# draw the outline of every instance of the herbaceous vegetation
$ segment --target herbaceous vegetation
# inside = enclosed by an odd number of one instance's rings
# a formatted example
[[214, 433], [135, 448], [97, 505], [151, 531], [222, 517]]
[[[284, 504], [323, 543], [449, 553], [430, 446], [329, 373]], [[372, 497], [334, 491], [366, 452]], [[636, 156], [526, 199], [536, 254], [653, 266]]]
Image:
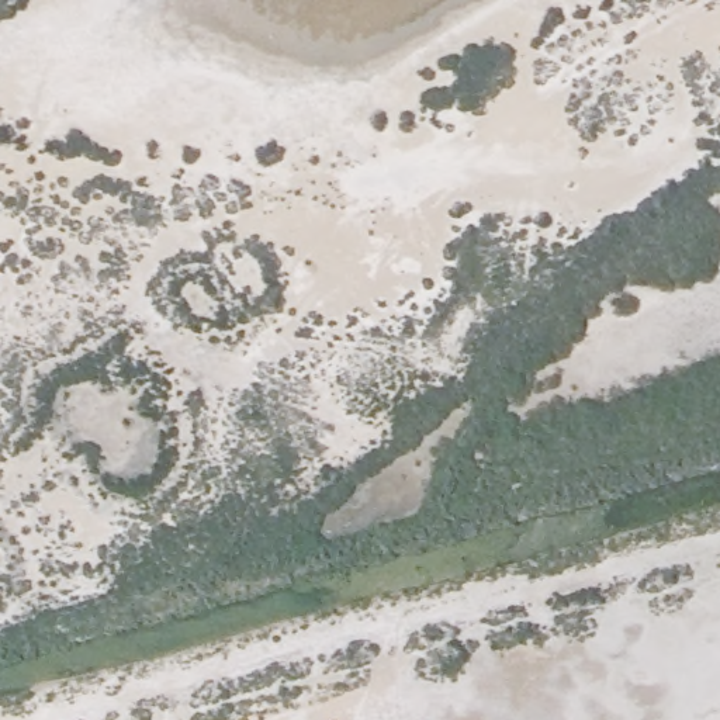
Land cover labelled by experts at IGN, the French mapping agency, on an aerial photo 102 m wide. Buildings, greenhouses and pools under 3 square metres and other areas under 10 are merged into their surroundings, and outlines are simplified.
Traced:
[[76, 205], [68, 205], [68, 200], [53, 197], [48, 208], [42, 208], [39, 200], [28, 200], [25, 191], [6, 197], [0, 191], [0, 273], [11, 270], [17, 284], [31, 281], [31, 262], [8, 248], [23, 236], [37, 256], [51, 259], [53, 253], [65, 250], [65, 245], [56, 239], [39, 242], [37, 233], [42, 228], [53, 225], [70, 231], [79, 242], [90, 245], [104, 231], [101, 222], [113, 217], [110, 211], [104, 211], [96, 219], [79, 222], [87, 203], [79, 200]]
[[318, 326], [335, 326], [335, 318], [309, 312], [304, 315], [295, 338], [312, 338]]
[[262, 332], [262, 326], [273, 329], [276, 335], [284, 335], [278, 312], [250, 318], [248, 323], [233, 323], [231, 329], [194, 332], [200, 343], [239, 346], [250, 343]]
[[127, 388], [135, 399], [135, 405], [124, 416], [124, 428], [141, 425], [143, 419], [138, 413], [138, 399], [152, 388], [152, 383], [124, 383], [121, 366], [132, 360], [127, 349], [107, 363], [113, 391]]
[[174, 219], [188, 222], [211, 217], [217, 203], [225, 205], [228, 214], [248, 211], [253, 208], [250, 186], [245, 180], [231, 180], [225, 191], [219, 191], [219, 177], [205, 174], [197, 186], [172, 186], [169, 194], [155, 197], [163, 222], [169, 225]]
[[37, 383], [42, 383], [45, 374], [39, 371], [39, 363], [53, 357], [53, 349], [23, 349], [8, 360], [0, 354], [0, 464], [20, 453], [17, 442], [34, 425], [34, 388]]
[[6, 579], [0, 574], [0, 605], [8, 596], [14, 599], [28, 593], [31, 579]]
[[239, 290], [231, 281], [236, 273], [233, 264], [225, 264], [222, 270], [214, 267], [217, 245], [225, 245], [236, 236], [233, 222], [222, 222], [217, 231], [205, 231], [205, 250], [180, 250], [163, 259], [158, 273], [146, 284], [146, 295], [152, 298], [152, 307], [172, 321], [172, 329], [186, 329], [186, 323], [197, 315], [183, 293], [169, 295], [169, 284], [183, 273], [203, 270], [211, 273], [211, 295], [217, 309], [239, 309], [242, 304], [233, 295]]
[[160, 349], [146, 349], [138, 360], [169, 380], [172, 366], [163, 363]]
[[127, 332], [129, 340], [143, 335], [143, 323], [127, 321], [124, 307], [107, 309], [98, 318], [82, 309], [82, 335], [76, 335], [62, 349], [62, 354], [73, 354], [79, 343], [101, 338], [104, 326], [113, 326], [115, 335]]
[[191, 413], [188, 464], [180, 481], [163, 498], [155, 498], [152, 492], [135, 501], [141, 512], [118, 515], [124, 534], [115, 534], [110, 543], [98, 546], [98, 563], [39, 565], [42, 574], [96, 577], [98, 585], [107, 591], [121, 574], [121, 546], [146, 546], [152, 529], [197, 520], [200, 515], [205, 518], [219, 498], [245, 495], [245, 481], [236, 475], [236, 470], [248, 461], [250, 453], [267, 456], [276, 439], [284, 439], [290, 433], [290, 447], [298, 456], [298, 475], [293, 481], [276, 478], [273, 487], [278, 492], [278, 503], [270, 509], [273, 518], [298, 509], [301, 501], [309, 501], [318, 489], [335, 484], [335, 475], [343, 467], [332, 467], [321, 444], [326, 433], [335, 433], [335, 425], [301, 411], [312, 391], [312, 380], [293, 380], [290, 360], [284, 357], [276, 363], [259, 360], [253, 385], [242, 391], [242, 408], [236, 413], [239, 439], [228, 458], [217, 467], [205, 458], [205, 397], [203, 391], [191, 391], [186, 399]]
[[62, 456], [82, 442], [70, 425], [70, 385], [56, 391], [53, 419], [48, 422], [45, 433], [56, 439]]
[[107, 295], [118, 295], [121, 281], [129, 278], [129, 270], [124, 250], [110, 250], [101, 253], [98, 287]]
[[8, 127], [0, 124], [0, 146], [28, 146], [28, 118], [11, 121]]
[[388, 346], [388, 357], [371, 360], [371, 368], [360, 374], [360, 380], [346, 374], [338, 374], [335, 380], [346, 394], [346, 413], [363, 416], [383, 433], [383, 439], [391, 439], [394, 399], [405, 402], [416, 399], [430, 388], [442, 388], [444, 377], [461, 380], [470, 366], [470, 357], [464, 354], [458, 363], [453, 363], [450, 374], [416, 371], [411, 360], [397, 357], [397, 343], [413, 338], [413, 318], [405, 318], [399, 335], [377, 326], [366, 329], [366, 335]]
[[28, 503], [37, 503], [45, 492], [56, 489], [53, 481], [42, 481], [31, 484], [25, 495], [11, 501], [14, 518], [25, 518]]

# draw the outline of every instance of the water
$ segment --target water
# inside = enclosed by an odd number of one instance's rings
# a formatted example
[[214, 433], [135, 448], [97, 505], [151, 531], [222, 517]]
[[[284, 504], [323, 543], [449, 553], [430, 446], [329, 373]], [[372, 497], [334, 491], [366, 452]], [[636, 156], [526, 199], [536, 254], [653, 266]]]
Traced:
[[447, 0], [248, 0], [253, 3], [256, 14], [270, 14], [281, 25], [309, 28], [315, 39], [332, 34], [343, 42], [352, 42], [357, 37], [391, 34], [399, 25], [411, 25], [428, 17]]
[[450, 416], [436, 430], [430, 430], [422, 439], [416, 450], [399, 456], [394, 464], [363, 481], [340, 509], [326, 515], [323, 534], [335, 537], [366, 529], [374, 520], [399, 520], [416, 515], [433, 470], [433, 447], [442, 439], [456, 436], [458, 425], [473, 413], [470, 402], [464, 402], [456, 411], [450, 411]]
[[442, 596], [450, 591], [461, 591], [467, 582], [498, 579], [503, 574], [540, 579], [563, 574], [568, 568], [596, 565], [602, 560], [602, 540], [608, 534], [658, 520], [678, 523], [686, 512], [720, 506], [720, 473], [706, 473], [672, 481], [669, 487], [627, 495], [622, 501], [613, 501], [605, 518], [599, 518], [596, 512], [585, 512], [571, 520], [557, 520], [557, 512], [568, 512], [571, 506], [571, 489], [563, 487], [563, 498], [518, 509], [520, 529], [512, 529], [506, 520], [495, 520], [487, 523], [481, 534], [464, 534], [464, 543], [439, 546], [430, 554], [399, 557], [394, 563], [374, 565], [371, 571], [360, 571], [352, 577], [323, 577], [315, 582], [318, 588], [312, 591], [270, 588], [267, 593], [253, 599], [236, 599], [228, 605], [197, 610], [191, 616], [172, 616], [158, 624], [118, 630], [113, 636], [79, 641], [56, 653], [25, 655], [25, 664], [8, 667], [0, 675], [0, 703], [11, 695], [23, 703], [31, 700], [34, 686], [45, 681], [93, 681], [96, 672], [104, 669], [132, 672], [132, 664], [138, 661], [160, 658], [172, 655], [197, 644], [228, 641], [231, 641], [231, 636], [262, 624], [276, 624], [298, 616], [315, 619], [346, 616], [352, 610], [371, 608], [374, 599], [385, 599], [394, 605], [402, 599]]

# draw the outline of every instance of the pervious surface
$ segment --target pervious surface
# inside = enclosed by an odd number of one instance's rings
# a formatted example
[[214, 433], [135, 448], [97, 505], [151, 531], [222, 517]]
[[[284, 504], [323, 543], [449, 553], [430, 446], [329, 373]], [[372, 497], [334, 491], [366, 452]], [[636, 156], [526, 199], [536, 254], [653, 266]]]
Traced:
[[217, 309], [211, 295], [200, 284], [186, 284], [183, 293], [197, 315], [214, 318]]
[[[6, 624], [14, 624], [31, 610], [76, 605], [87, 596], [98, 596], [107, 591], [98, 585], [96, 577], [42, 574], [39, 565], [98, 563], [98, 546], [110, 543], [115, 534], [124, 534], [118, 515], [141, 512], [135, 501], [121, 495], [104, 498], [101, 481], [107, 473], [132, 478], [152, 470], [158, 458], [158, 433], [166, 430], [166, 422], [143, 419], [141, 425], [124, 428], [124, 416], [135, 405], [135, 399], [127, 388], [113, 391], [104, 394], [96, 383], [70, 385], [70, 425], [82, 442], [96, 442], [101, 447], [101, 467], [93, 475], [84, 458], [65, 461], [62, 456], [56, 439], [45, 433], [39, 442], [34, 442], [31, 450], [20, 453], [0, 464], [0, 574], [6, 579], [31, 579], [28, 593], [14, 599], [8, 596], [0, 605], [0, 619]], [[42, 481], [53, 481], [56, 489], [45, 492], [37, 503], [28, 503], [25, 518], [14, 518], [11, 501], [25, 495], [31, 484]]]
[[132, 208], [129, 203], [113, 194], [87, 203], [79, 222], [96, 219], [104, 211], [110, 211]]
[[692, 366], [720, 352], [720, 270], [712, 281], [700, 281], [689, 290], [664, 293], [655, 287], [627, 284], [622, 290], [608, 293], [602, 298], [602, 312], [588, 323], [585, 338], [571, 349], [571, 354], [565, 360], [543, 366], [532, 380], [532, 394], [523, 402], [509, 405], [512, 413], [526, 419], [532, 411], [560, 397], [608, 399], [610, 388], [627, 391], [638, 385], [638, 377]]
[[[647, 571], [672, 565], [692, 565], [689, 579], [678, 579], [672, 585], [661, 579], [655, 593], [638, 591], [638, 579]], [[489, 647], [489, 633], [481, 622], [489, 610], [523, 605], [529, 610], [532, 624], [543, 627], [554, 622], [548, 596], [574, 593], [582, 588], [602, 588], [613, 579], [624, 582], [624, 593], [619, 593], [613, 602], [605, 602], [593, 613], [593, 638], [579, 641], [577, 636], [557, 636], [546, 644], [526, 641], [509, 650]], [[461, 641], [473, 638], [478, 641], [478, 650], [470, 655], [458, 678], [442, 678], [439, 683], [419, 681], [416, 661], [428, 658], [428, 653], [408, 650], [405, 641], [413, 630], [439, 622], [458, 624]], [[380, 655], [371, 661], [371, 681], [363, 689], [338, 695], [335, 683], [346, 681], [349, 669], [335, 669], [332, 653], [346, 650], [357, 638], [380, 644]], [[37, 712], [20, 717], [6, 714], [3, 720], [132, 720], [135, 703], [141, 698], [155, 695], [174, 698], [174, 709], [155, 709], [152, 720], [191, 720], [191, 714], [219, 712], [214, 703], [194, 700], [194, 686], [200, 686], [203, 681], [245, 678], [270, 664], [295, 664], [307, 678], [276, 678], [270, 686], [231, 695], [231, 703], [278, 695], [281, 689], [295, 686], [301, 686], [304, 695], [295, 698], [290, 709], [284, 709], [284, 703], [256, 703], [250, 706], [250, 720], [720, 720], [720, 532], [675, 543], [644, 540], [636, 548], [616, 551], [602, 560], [596, 565], [568, 568], [563, 574], [540, 579], [503, 574], [498, 579], [467, 582], [461, 591], [450, 591], [442, 596], [402, 599], [394, 605], [385, 599], [374, 599], [371, 608], [352, 610], [346, 616], [315, 619], [309, 622], [309, 630], [287, 636], [281, 641], [250, 641], [248, 647], [233, 647], [231, 641], [228, 641], [228, 655], [214, 655], [191, 667], [180, 667], [172, 655], [160, 658], [160, 664], [149, 669], [146, 678], [129, 675], [124, 692], [115, 698], [98, 695], [87, 683], [84, 695], [76, 695], [76, 703], [62, 703], [53, 695], [48, 695], [45, 706], [37, 706]]]
[[[563, 23], [546, 37], [543, 48], [532, 48], [532, 39], [548, 8], [563, 8]], [[447, 87], [456, 82], [453, 70], [444, 70], [439, 59], [461, 53], [467, 45], [484, 42], [515, 48], [515, 84], [489, 98], [481, 115], [422, 107], [425, 90]], [[703, 53], [706, 59], [706, 68], [700, 73], [700, 90], [706, 104], [698, 107], [692, 107], [692, 93], [683, 79], [683, 59], [692, 53]], [[582, 141], [579, 132], [574, 132], [574, 127], [568, 124], [568, 96], [577, 96], [582, 107], [591, 110], [602, 93], [610, 93], [616, 121], [605, 124], [596, 141]], [[411, 360], [416, 371], [450, 374], [453, 363], [458, 363], [464, 354], [461, 343], [467, 329], [473, 326], [473, 315], [467, 307], [461, 307], [453, 315], [453, 323], [444, 326], [439, 338], [425, 340], [425, 329], [436, 312], [436, 301], [450, 298], [453, 284], [444, 273], [450, 267], [458, 267], [456, 259], [444, 256], [444, 248], [453, 239], [464, 236], [470, 225], [478, 225], [487, 214], [503, 214], [492, 236], [526, 231], [526, 239], [515, 242], [515, 253], [523, 253], [523, 264], [532, 267], [537, 242], [554, 242], [568, 248], [579, 245], [593, 233], [593, 228], [605, 217], [636, 211], [638, 203], [644, 203], [653, 191], [664, 188], [669, 180], [683, 180], [689, 169], [700, 166], [703, 152], [720, 158], [720, 0], [447, 0], [428, 17], [411, 25], [399, 25], [391, 34], [357, 37], [352, 42], [343, 42], [332, 34], [315, 39], [309, 28], [281, 25], [270, 14], [256, 14], [253, 3], [248, 0], [0, 0], [0, 124], [8, 127], [11, 121], [28, 118], [28, 146], [0, 146], [0, 191], [6, 197], [25, 191], [28, 200], [39, 200], [42, 208], [48, 208], [53, 197], [68, 200], [68, 205], [76, 205], [79, 200], [76, 188], [90, 177], [127, 180], [132, 191], [155, 197], [169, 194], [172, 186], [197, 186], [205, 174], [219, 177], [219, 191], [225, 191], [231, 180], [245, 180], [250, 186], [253, 208], [248, 211], [228, 214], [225, 205], [217, 203], [211, 217], [188, 222], [174, 219], [169, 225], [163, 222], [155, 228], [143, 228], [135, 222], [113, 222], [113, 217], [101, 222], [104, 231], [90, 245], [79, 242], [70, 231], [53, 225], [42, 228], [37, 233], [39, 242], [56, 239], [65, 245], [65, 250], [53, 253], [51, 259], [37, 256], [23, 236], [8, 248], [31, 262], [31, 281], [17, 284], [11, 270], [0, 273], [0, 354], [8, 360], [23, 349], [53, 349], [53, 357], [39, 363], [39, 371], [45, 374], [51, 374], [56, 366], [82, 360], [84, 354], [110, 343], [115, 335], [113, 326], [104, 326], [101, 338], [79, 343], [73, 354], [62, 354], [62, 349], [76, 335], [82, 335], [82, 309], [98, 318], [107, 309], [124, 307], [127, 321], [143, 323], [143, 335], [129, 340], [127, 349], [132, 360], [138, 360], [146, 349], [160, 349], [163, 363], [172, 366], [169, 380], [169, 411], [177, 411], [177, 461], [152, 492], [155, 498], [163, 498], [180, 481], [188, 464], [191, 413], [186, 399], [191, 391], [203, 391], [205, 397], [205, 458], [217, 467], [228, 458], [239, 439], [236, 413], [242, 408], [242, 391], [253, 385], [259, 360], [276, 363], [284, 357], [290, 360], [293, 380], [312, 380], [312, 391], [301, 411], [335, 425], [335, 433], [326, 433], [321, 444], [332, 467], [343, 467], [366, 456], [371, 450], [371, 442], [383, 439], [383, 433], [363, 416], [346, 413], [346, 394], [335, 380], [338, 374], [346, 374], [360, 380], [360, 374], [371, 368], [371, 360], [388, 357], [388, 346], [366, 335], [366, 329], [377, 326], [399, 335], [405, 318], [413, 318], [413, 338], [397, 343], [397, 357]], [[90, 158], [48, 155], [45, 143], [62, 141], [73, 129], [84, 132], [90, 141], [107, 149], [118, 149], [121, 163], [110, 166]], [[231, 281], [239, 290], [248, 287], [256, 295], [264, 293], [262, 267], [248, 253], [245, 239], [259, 236], [262, 242], [270, 242], [278, 259], [278, 278], [287, 287], [278, 312], [284, 335], [276, 335], [273, 329], [262, 326], [262, 332], [250, 343], [239, 346], [200, 343], [194, 332], [186, 329], [172, 329], [172, 321], [152, 307], [152, 298], [146, 295], [146, 284], [158, 273], [163, 259], [180, 250], [205, 250], [205, 231], [217, 231], [222, 222], [233, 222], [236, 236], [225, 245], [217, 245], [214, 267], [222, 270], [225, 264], [233, 264], [236, 273]], [[118, 295], [107, 295], [98, 287], [101, 253], [110, 250], [124, 250], [129, 270], [129, 278], [121, 281]], [[295, 338], [304, 315], [309, 312], [335, 318], [335, 326], [318, 326], [312, 338]]]

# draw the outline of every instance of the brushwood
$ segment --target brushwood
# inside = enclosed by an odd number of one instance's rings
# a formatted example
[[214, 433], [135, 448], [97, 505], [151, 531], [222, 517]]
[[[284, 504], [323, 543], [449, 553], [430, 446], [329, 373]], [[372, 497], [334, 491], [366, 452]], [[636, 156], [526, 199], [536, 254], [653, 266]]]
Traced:
[[239, 309], [217, 309], [214, 318], [197, 315], [186, 323], [186, 329], [194, 332], [231, 329], [233, 323], [248, 323], [250, 318], [278, 312], [287, 287], [278, 278], [278, 259], [270, 242], [262, 242], [259, 236], [245, 239], [248, 253], [262, 267], [264, 293], [256, 295], [248, 287], [239, 290], [233, 295], [242, 304]]
[[458, 678], [470, 655], [478, 650], [478, 641], [473, 638], [461, 641], [458, 624], [439, 622], [413, 630], [405, 641], [408, 650], [428, 653], [428, 658], [416, 661], [419, 681], [439, 683], [442, 678]]
[[602, 560], [616, 551], [636, 548], [644, 540], [675, 543], [720, 532], [720, 506], [686, 512], [678, 523], [658, 520], [608, 534], [602, 540]]
[[655, 593], [661, 579], [672, 585], [678, 579], [689, 579], [692, 565], [672, 565], [647, 571], [638, 579], [638, 591]]
[[118, 149], [107, 149], [90, 141], [84, 132], [73, 129], [62, 141], [45, 143], [48, 155], [90, 158], [110, 166], [121, 163]]
[[602, 93], [591, 110], [582, 107], [577, 96], [568, 96], [568, 124], [574, 127], [574, 132], [579, 132], [582, 141], [596, 141], [605, 124], [616, 121], [610, 93]]
[[149, 669], [160, 664], [160, 658], [138, 661], [132, 664], [132, 672], [104, 669], [96, 672], [93, 681], [45, 681], [34, 686], [31, 700], [23, 703], [11, 695], [0, 703], [0, 720], [3, 720], [6, 714], [20, 717], [37, 712], [37, 706], [45, 706], [48, 695], [53, 695], [62, 703], [76, 703], [76, 695], [84, 695], [87, 683], [98, 695], [115, 698], [124, 692], [129, 675], [146, 678]]
[[563, 8], [548, 8], [532, 39], [532, 48], [543, 48], [546, 37], [563, 23]]
[[[87, 596], [76, 605], [31, 610], [14, 624], [6, 624], [0, 619], [0, 675], [8, 667], [25, 664], [25, 655], [56, 653], [79, 641], [113, 636], [118, 630], [158, 624], [172, 616], [191, 616], [197, 610], [228, 605], [236, 599], [253, 599], [267, 593], [270, 588], [312, 591], [318, 588], [315, 582], [323, 577], [352, 577], [360, 571], [371, 571], [374, 565], [394, 563], [399, 557], [430, 554], [439, 546], [464, 543], [464, 534], [481, 534], [487, 523], [495, 520], [506, 520], [512, 529], [520, 529], [518, 509], [563, 498], [563, 487], [571, 489], [571, 506], [568, 512], [557, 512], [557, 520], [571, 520], [585, 512], [596, 512], [599, 518], [605, 518], [613, 501], [622, 501], [627, 495], [669, 487], [672, 481], [706, 473], [720, 473], [720, 352], [692, 366], [638, 377], [638, 385], [627, 391], [610, 388], [608, 399], [560, 397], [532, 411], [526, 419], [512, 413], [509, 405], [523, 402], [532, 394], [532, 380], [543, 366], [565, 360], [571, 354], [571, 349], [585, 338], [588, 323], [602, 312], [602, 298], [608, 293], [622, 290], [627, 284], [655, 287], [664, 293], [689, 290], [700, 281], [712, 281], [720, 270], [720, 158], [703, 152], [700, 166], [689, 169], [683, 180], [669, 180], [664, 188], [653, 191], [644, 203], [638, 203], [636, 211], [605, 217], [593, 228], [593, 233], [579, 245], [568, 248], [554, 242], [537, 242], [532, 267], [523, 264], [523, 253], [515, 253], [515, 242], [526, 239], [526, 231], [492, 236], [503, 214], [487, 214], [478, 225], [470, 225], [464, 236], [453, 239], [444, 248], [444, 256], [456, 259], [458, 267], [450, 267], [444, 273], [453, 284], [450, 298], [436, 301], [436, 312], [425, 329], [425, 340], [439, 338], [444, 326], [453, 323], [453, 315], [461, 307], [467, 307], [473, 315], [473, 326], [467, 329], [461, 343], [464, 354], [470, 357], [470, 366], [461, 380], [444, 377], [442, 388], [430, 388], [416, 399], [405, 402], [394, 399], [391, 439], [383, 439], [371, 442], [371, 450], [366, 456], [343, 467], [335, 475], [335, 484], [318, 489], [309, 501], [301, 501], [298, 509], [273, 518], [270, 509], [278, 503], [278, 492], [273, 487], [276, 478], [293, 481], [298, 475], [298, 456], [290, 447], [290, 433], [284, 439], [276, 439], [267, 456], [250, 453], [248, 461], [236, 470], [236, 475], [245, 481], [245, 495], [219, 498], [205, 518], [200, 515], [197, 520], [152, 529], [146, 546], [121, 546], [121, 574], [107, 591], [98, 596]], [[436, 430], [450, 416], [450, 411], [456, 411], [464, 402], [470, 402], [473, 413], [458, 425], [456, 436], [442, 439], [433, 447], [433, 470], [416, 515], [399, 520], [374, 520], [366, 529], [335, 537], [323, 534], [326, 515], [340, 509], [363, 481], [394, 464], [399, 456], [416, 450], [422, 439], [430, 430]]]
[[447, 87], [425, 90], [422, 107], [481, 115], [489, 98], [515, 84], [515, 48], [484, 42], [467, 45], [461, 53], [439, 59], [444, 70], [453, 70], [456, 82]]
[[278, 695], [231, 703], [231, 695], [270, 686], [276, 678], [307, 678], [295, 664], [270, 664], [245, 678], [203, 681], [200, 686], [194, 686], [194, 700], [214, 703], [219, 712], [191, 714], [191, 720], [250, 720], [250, 706], [256, 703], [284, 703], [284, 709], [290, 709], [295, 698], [304, 695], [301, 686], [295, 686], [281, 689]]
[[107, 363], [127, 349], [129, 340], [127, 332], [115, 335], [110, 343], [84, 354], [82, 360], [56, 366], [51, 374], [45, 374], [42, 383], [37, 383], [34, 388], [34, 425], [17, 442], [20, 453], [31, 450], [34, 442], [39, 442], [45, 433], [48, 422], [53, 419], [56, 391], [70, 385], [96, 383], [104, 394], [113, 391]]
[[113, 194], [129, 203], [132, 208], [110, 211], [113, 217], [113, 222], [135, 222], [143, 228], [155, 228], [163, 222], [155, 197], [132, 191], [127, 180], [90, 177], [76, 188], [79, 200], [87, 203]]
[[135, 703], [132, 720], [152, 720], [155, 709], [174, 709], [174, 698], [155, 695], [141, 698]]
[[104, 498], [121, 495], [135, 501], [152, 492], [177, 461], [177, 411], [169, 411], [169, 380], [138, 360], [132, 360], [121, 366], [124, 383], [152, 383], [152, 388], [138, 399], [138, 413], [143, 419], [166, 422], [166, 430], [158, 433], [158, 458], [152, 470], [132, 478], [107, 473], [101, 481]]
[[200, 284], [211, 295], [211, 273], [203, 270], [183, 273], [169, 284], [169, 295], [183, 293], [186, 284]]
[[523, 605], [489, 610], [481, 622], [489, 633], [489, 647], [509, 650], [526, 641], [546, 644], [557, 636], [577, 636], [579, 641], [593, 638], [593, 613], [605, 602], [613, 602], [619, 593], [624, 593], [624, 582], [613, 579], [602, 588], [582, 588], [574, 593], [548, 596], [554, 622], [543, 627], [532, 624], [529, 610]]
[[335, 683], [338, 695], [363, 689], [371, 681], [371, 661], [380, 655], [380, 644], [357, 638], [346, 650], [332, 653], [335, 669], [349, 669], [346, 681]]
[[231, 636], [231, 641], [233, 647], [248, 647], [250, 641], [281, 641], [287, 636], [309, 630], [309, 622], [315, 619], [298, 616], [276, 624], [262, 624]]
[[101, 447], [96, 442], [82, 442], [62, 456], [65, 461], [84, 458], [93, 475], [101, 467]]
[[197, 644], [172, 655], [180, 667], [191, 667], [214, 655], [228, 655], [228, 641]]
[[698, 107], [706, 104], [700, 90], [700, 73], [706, 68], [706, 59], [703, 53], [692, 53], [683, 59], [683, 79], [692, 93], [692, 107]]

